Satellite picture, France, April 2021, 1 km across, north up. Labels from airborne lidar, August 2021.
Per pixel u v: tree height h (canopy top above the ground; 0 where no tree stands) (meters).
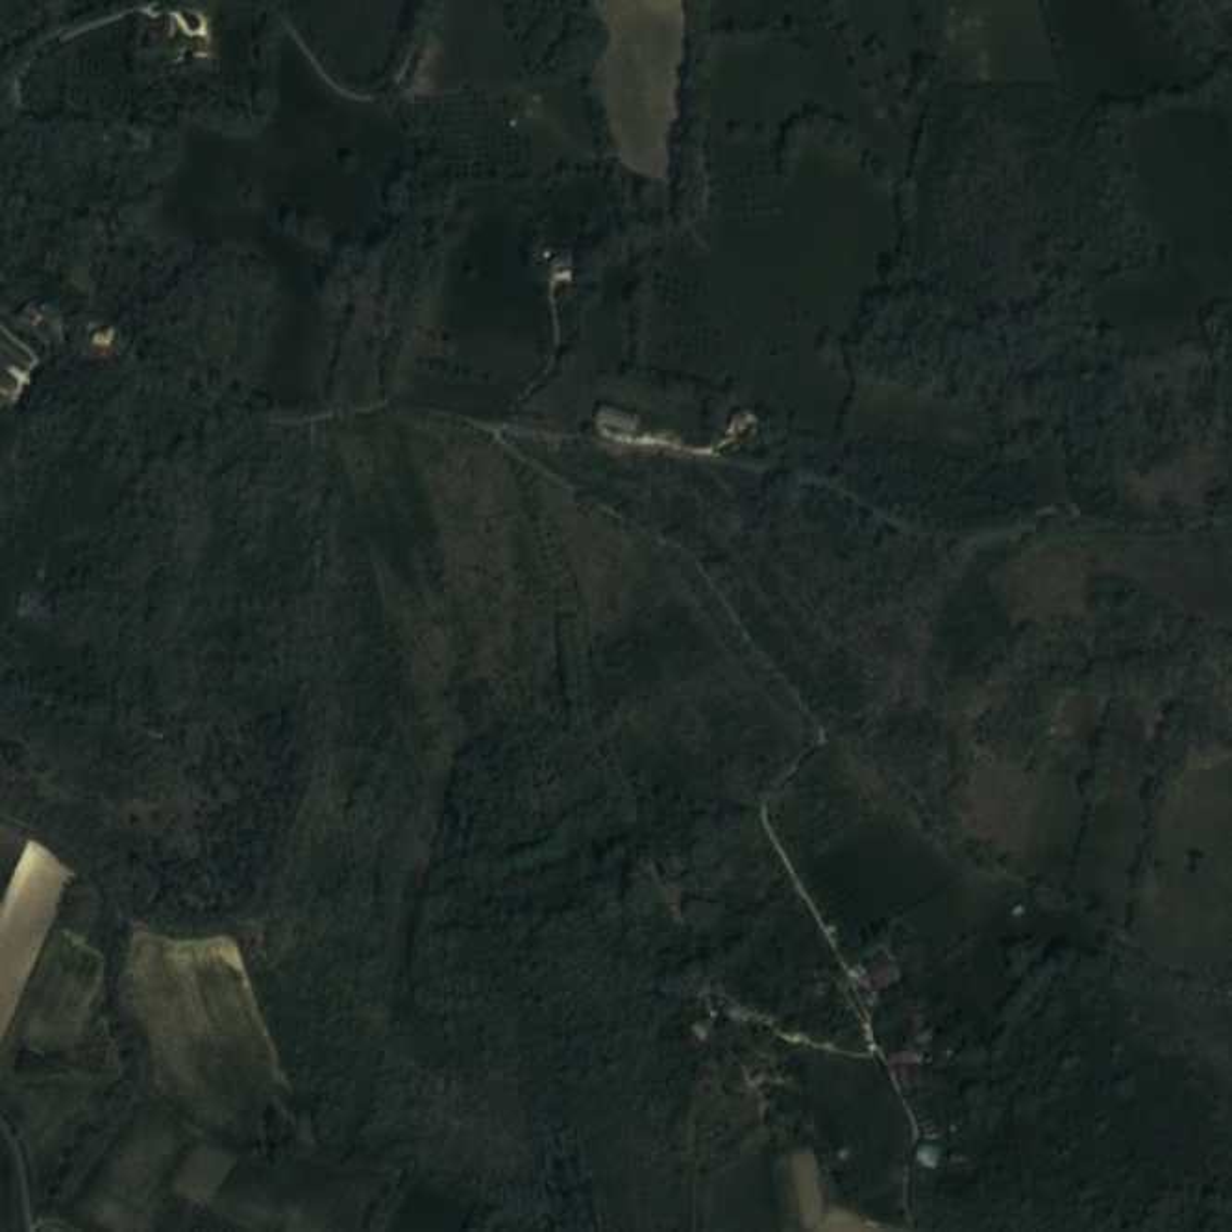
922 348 23
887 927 12
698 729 6
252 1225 0
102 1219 0
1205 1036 0
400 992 7
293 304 0
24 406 13
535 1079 6
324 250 0
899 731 10
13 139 16
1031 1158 6
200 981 0
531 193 0
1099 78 0
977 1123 9
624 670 10
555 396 0
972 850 16
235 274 20
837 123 18
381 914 21
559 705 11
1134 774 0
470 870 23
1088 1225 10
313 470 14
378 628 6
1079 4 0
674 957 8
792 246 0
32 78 12
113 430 10
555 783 6
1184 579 0
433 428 11
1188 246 0
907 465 9
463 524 0
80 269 0
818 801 7
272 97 18
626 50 0
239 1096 0
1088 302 12
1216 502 8
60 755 15
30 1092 0
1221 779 0
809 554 17
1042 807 0
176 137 17
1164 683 19
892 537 16
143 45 7
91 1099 0
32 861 0
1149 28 0
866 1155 0
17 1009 0
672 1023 9
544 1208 29
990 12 0
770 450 9
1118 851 0
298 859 19
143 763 13
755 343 0
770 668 12
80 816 9
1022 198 8
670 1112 11
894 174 9
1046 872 0
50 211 17
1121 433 16
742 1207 0
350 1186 0
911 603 11
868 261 0
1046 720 19
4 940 0
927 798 22
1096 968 16
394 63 10
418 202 30
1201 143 0
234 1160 0
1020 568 0
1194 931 0
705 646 0
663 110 0
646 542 18
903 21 0
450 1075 13
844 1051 0
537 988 10
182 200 0
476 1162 7
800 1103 10
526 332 0
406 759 7
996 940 0
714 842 15
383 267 14
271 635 13
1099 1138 7
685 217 18
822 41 0
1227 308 6
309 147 0
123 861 13
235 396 9
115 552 7
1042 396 15
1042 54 0
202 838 6
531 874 8
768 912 14
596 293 9
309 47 15
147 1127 0
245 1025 0
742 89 0
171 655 16
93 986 0
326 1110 12
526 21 20
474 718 10
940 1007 11
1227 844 0
